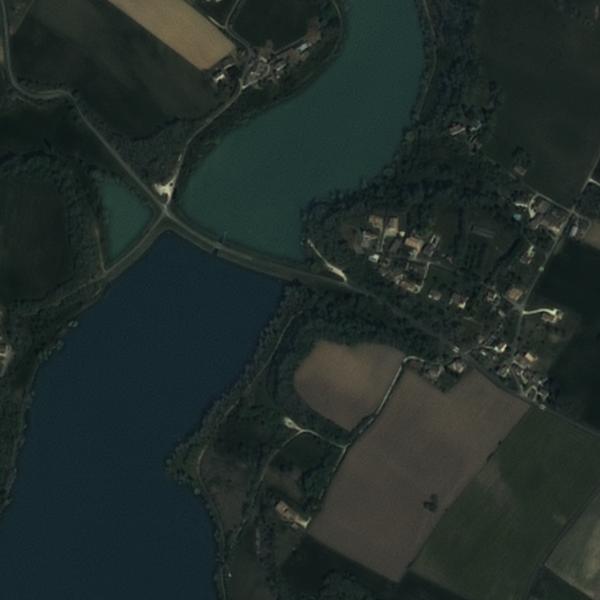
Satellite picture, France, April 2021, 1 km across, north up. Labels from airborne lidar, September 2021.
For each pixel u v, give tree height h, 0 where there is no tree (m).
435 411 0
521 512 0
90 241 18
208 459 0
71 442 0
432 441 0
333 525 0
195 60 0
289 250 0
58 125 0
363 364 0
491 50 0
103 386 0
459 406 0
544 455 0
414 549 0
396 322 13
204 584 0
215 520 10
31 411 0
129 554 0
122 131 0
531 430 0
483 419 0
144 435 0
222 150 0
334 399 0
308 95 0
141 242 0
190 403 0
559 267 0
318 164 0
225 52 0
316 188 0
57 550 0
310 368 0
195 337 0
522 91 0
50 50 0
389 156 0
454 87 14
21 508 0
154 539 0
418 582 0
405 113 0
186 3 0
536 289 0
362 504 0
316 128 0
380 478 0
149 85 0
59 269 0
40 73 0
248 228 0
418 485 0
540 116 0
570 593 0
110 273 0
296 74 15
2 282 0
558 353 0
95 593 0
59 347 10
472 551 0
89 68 0
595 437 0
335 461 6
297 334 9
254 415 9
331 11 15
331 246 21
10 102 9
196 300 0
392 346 11
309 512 11
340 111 0
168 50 0
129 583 0
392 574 0
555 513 0
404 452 0
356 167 0
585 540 0
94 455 0
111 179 9
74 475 0
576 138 0
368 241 0
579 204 9
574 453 0
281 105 0
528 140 0
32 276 0
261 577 0
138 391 0
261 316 0
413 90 0
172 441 0
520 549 0
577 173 0
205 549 0
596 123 0
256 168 0
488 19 0
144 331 0
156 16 0
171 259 0
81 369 0
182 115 0
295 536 16
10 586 0
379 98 0
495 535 0
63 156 5
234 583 0
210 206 0
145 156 17
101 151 0
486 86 12
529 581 0
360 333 16
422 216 14
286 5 0
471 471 0
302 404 10
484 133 7
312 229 20
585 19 12
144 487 0
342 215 17
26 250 0
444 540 0
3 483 17
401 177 11
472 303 9
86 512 0
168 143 19
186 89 0
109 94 0
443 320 18
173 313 0
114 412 0
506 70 0
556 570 0
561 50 0
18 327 8
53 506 0
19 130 0
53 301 12
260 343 11
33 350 0
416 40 0
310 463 0
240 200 0
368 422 8
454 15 17
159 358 0
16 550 0
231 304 0
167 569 0
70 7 0
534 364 0
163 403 0
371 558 0
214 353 0
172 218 0
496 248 0
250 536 0
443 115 12
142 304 0
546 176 0
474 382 0
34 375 0
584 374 0
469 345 17
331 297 7
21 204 0
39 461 0
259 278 0
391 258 11
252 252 0
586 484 0
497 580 0
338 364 0
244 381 19
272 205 0
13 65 0
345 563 0
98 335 0
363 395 0
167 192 0
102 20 0
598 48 0
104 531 0
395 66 0
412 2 0
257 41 0
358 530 0
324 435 11
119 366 0
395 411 0
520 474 0
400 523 0
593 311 0
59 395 0
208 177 0
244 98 7
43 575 0
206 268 0
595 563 0
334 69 0
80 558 0
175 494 0
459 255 14
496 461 0
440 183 7
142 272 0
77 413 0
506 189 19
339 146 0
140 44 0
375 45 0
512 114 0
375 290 16
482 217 0
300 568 0
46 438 0
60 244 0
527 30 0
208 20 0
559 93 0
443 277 0
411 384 0
